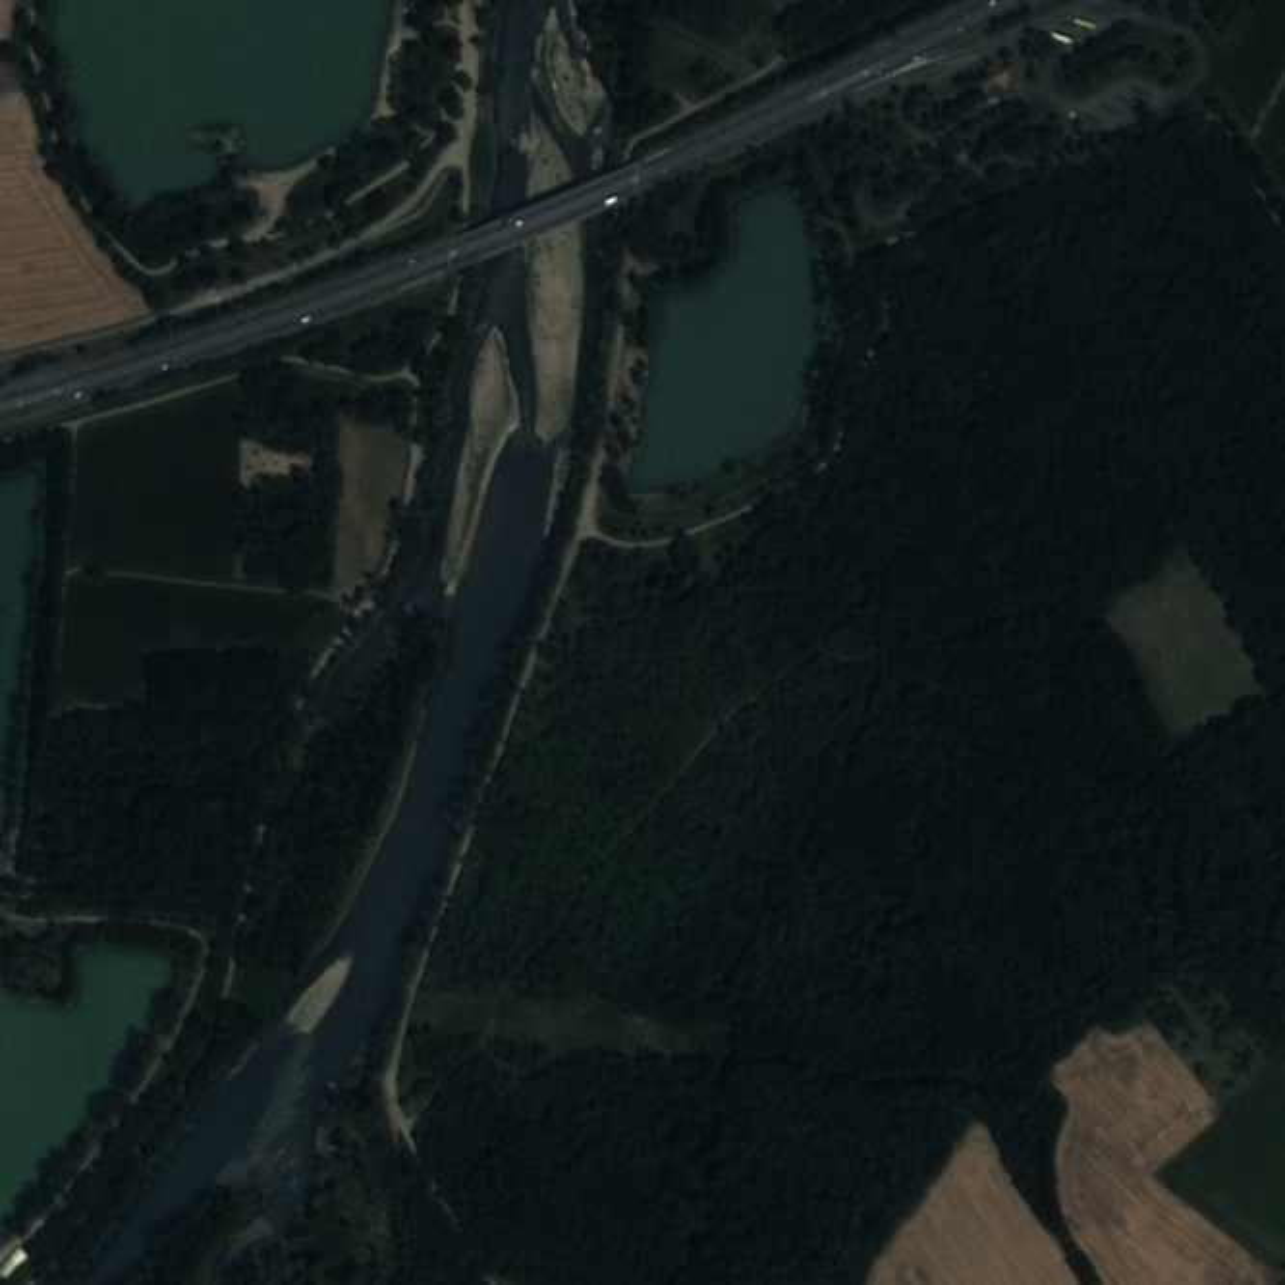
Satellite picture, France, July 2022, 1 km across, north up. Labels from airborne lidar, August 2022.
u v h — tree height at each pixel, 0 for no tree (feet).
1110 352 51
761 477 0
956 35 0
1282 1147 0
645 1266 44
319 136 0
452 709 0
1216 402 61
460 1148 51
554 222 0
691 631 28
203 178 0
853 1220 85
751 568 35
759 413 0
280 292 42
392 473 0
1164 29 0
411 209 0
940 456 61
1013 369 50
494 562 0
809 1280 79
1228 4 51
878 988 34
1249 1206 0
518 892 28
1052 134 52
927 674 51
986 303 52
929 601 54
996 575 60
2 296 0
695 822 34
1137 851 59
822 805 55
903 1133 61
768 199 0
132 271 45
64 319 0
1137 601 0
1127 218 46
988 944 85
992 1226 0
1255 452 69
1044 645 53
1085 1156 0
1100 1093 0
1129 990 60
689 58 0
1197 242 46
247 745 44
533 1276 40
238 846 52
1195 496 64
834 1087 67
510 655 57
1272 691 61
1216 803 76
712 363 0
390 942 0
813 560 39
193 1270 82
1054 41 34
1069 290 39
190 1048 53
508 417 0
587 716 32
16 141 0
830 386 35
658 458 0
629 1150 36
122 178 0
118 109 0
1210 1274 0
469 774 78
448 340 39
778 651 27
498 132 0
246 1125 0
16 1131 0
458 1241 32
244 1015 79
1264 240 64
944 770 49
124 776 36
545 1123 55
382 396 65
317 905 44
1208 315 60
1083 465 53
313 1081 0
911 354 58
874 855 52
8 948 35
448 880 26
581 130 0
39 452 48
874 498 42
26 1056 0
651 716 36
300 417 56
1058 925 85
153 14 0
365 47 0
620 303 58
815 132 53
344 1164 57
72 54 0
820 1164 87
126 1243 0
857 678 32
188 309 0
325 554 23
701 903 28
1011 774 62
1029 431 49
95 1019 0
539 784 39
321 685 41
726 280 0
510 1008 0
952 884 64
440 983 21
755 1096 63
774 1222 71
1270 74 0
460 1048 31
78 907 37
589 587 20
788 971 45
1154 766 53
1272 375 58
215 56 0
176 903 29
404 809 0
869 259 46
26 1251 34
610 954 35
